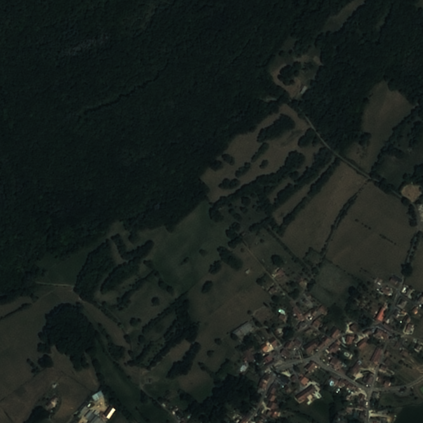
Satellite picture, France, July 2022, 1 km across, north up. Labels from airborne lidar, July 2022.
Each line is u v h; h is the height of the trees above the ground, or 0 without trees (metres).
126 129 18
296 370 19
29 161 22
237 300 0
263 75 16
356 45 21
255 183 16
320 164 13
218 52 17
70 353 20
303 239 0
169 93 19
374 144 0
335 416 15
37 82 19
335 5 19
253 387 12
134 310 0
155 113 15
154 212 19
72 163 18
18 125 21
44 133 18
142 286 12
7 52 14
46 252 10
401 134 10
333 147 17
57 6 18
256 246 0
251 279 0
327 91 18
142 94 18
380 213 0
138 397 0
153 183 19
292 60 0
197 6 19
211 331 0
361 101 20
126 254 14
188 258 9
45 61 16
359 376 0
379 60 24
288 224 11
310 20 22
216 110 20
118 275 18
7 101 20
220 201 10
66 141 20
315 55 0
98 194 20
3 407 0
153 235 0
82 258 0
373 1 18
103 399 0
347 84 15
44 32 16
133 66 17
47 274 15
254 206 9
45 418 14
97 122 18
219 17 21
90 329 22
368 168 0
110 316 7
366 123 0
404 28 23
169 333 13
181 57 15
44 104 18
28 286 21
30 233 19
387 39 22
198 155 21
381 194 0
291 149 0
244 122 19
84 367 18
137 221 16
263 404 0
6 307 0
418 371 0
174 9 15
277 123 14
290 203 0
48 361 21
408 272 20
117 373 0
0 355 0
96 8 12
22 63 17
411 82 13
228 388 27
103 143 18
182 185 19
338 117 8
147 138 19
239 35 20
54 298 0
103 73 22
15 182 26
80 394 0
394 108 0
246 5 21
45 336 17
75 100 20
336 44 18
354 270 0
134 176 21
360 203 0
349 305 7
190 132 21
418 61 19
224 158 11
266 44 16
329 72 15
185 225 0
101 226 23
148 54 9
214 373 8
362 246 0
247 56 12
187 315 18
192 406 19
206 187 17
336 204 0
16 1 16
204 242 0
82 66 19
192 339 17
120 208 22
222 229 0
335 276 0
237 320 0
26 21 14
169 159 19
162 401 14
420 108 8
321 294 0
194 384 0
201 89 18
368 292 8
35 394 0
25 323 0
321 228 0
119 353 7
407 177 15
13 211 22
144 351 10
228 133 14
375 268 0
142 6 10
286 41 7
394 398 0
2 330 0
